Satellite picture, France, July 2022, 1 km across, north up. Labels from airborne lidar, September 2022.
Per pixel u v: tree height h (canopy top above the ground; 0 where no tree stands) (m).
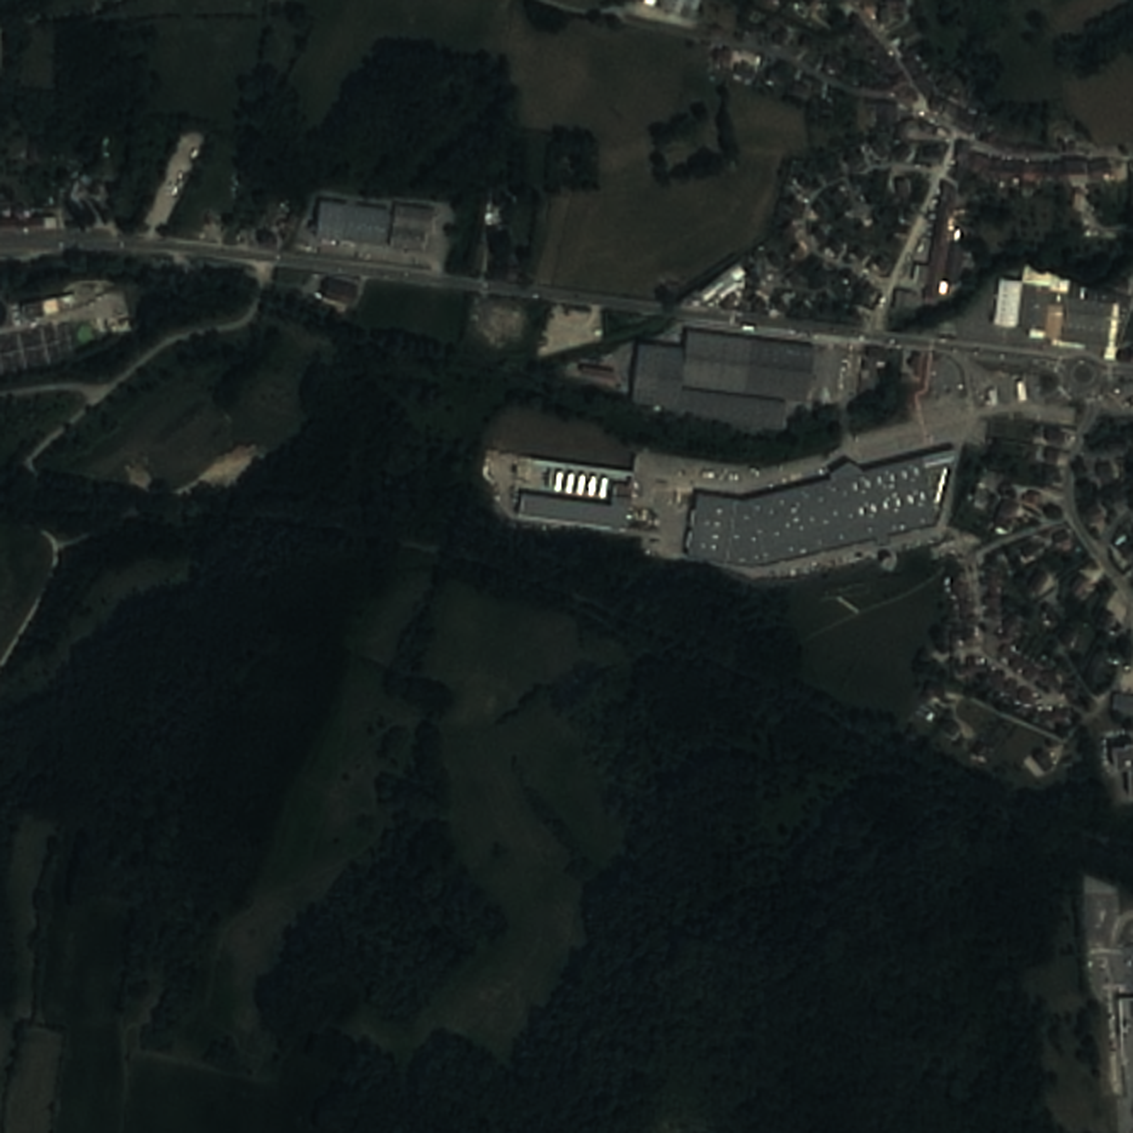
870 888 20
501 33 0
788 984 20
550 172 8
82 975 0
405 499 23
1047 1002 15
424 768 17
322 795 0
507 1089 23
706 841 25
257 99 14
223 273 12
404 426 13
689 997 11
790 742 18
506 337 0
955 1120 16
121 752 23
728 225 0
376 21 0
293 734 18
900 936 21
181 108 0
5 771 17
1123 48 11
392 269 0
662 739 14
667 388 0
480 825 0
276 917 0
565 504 0
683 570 12
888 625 0
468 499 18
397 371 6
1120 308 0
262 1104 0
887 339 0
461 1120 25
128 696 20
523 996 0
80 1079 0
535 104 0
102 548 9
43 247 0
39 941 12
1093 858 19
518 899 0
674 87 0
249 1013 0
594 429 0
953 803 28
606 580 8
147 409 0
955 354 0
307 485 17
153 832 26
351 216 0
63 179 12
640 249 0
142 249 0
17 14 23
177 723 23
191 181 9
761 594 6
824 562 0
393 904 8
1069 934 0
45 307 0
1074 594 8
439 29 0
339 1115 19
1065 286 0
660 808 24
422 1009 14
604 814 0
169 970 11
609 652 0
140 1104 0
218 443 0
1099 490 11
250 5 0
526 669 0
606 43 0
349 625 15
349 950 25
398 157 16
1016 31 0
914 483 0
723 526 0
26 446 8
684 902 25
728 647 21
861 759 17
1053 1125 14
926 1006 13
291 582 19
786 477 0
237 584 22
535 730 0
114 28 14
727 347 0
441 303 0
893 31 0
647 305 0
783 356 0
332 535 19
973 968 9
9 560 0
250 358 8
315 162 12
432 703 16
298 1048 0
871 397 10
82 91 15
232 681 19
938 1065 15
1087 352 0
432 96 24
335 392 10
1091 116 0
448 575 9
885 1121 18
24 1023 8
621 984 16
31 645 8
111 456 0
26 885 0
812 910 31
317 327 14
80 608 6
